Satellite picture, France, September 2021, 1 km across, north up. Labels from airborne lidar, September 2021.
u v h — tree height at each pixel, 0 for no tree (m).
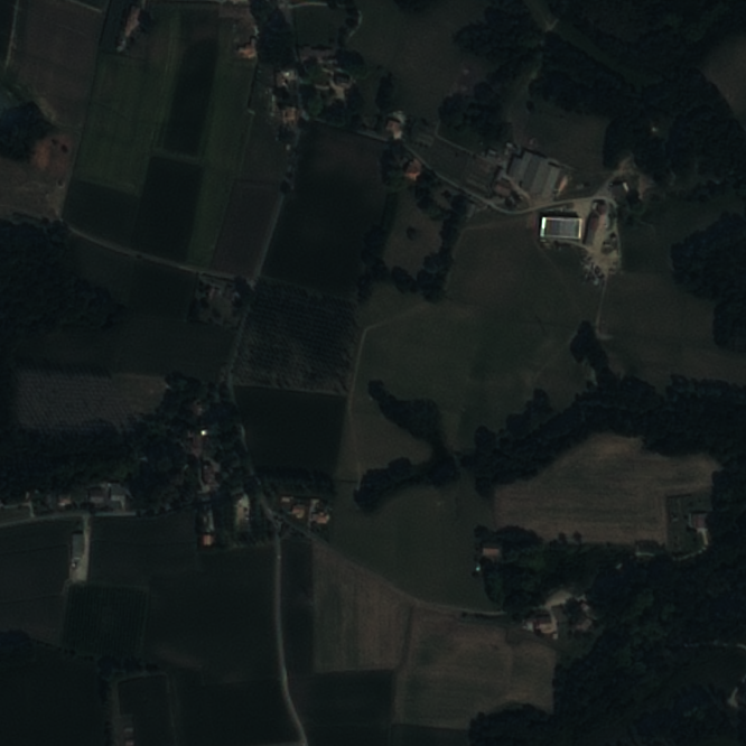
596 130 0
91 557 0
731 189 13
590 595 9
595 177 0
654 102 20
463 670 0
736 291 14
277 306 17
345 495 0
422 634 0
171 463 29
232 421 19
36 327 18
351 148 0
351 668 0
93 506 11
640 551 16
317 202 0
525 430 14
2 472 22
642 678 26
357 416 0
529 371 0
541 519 0
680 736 23
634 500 0
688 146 23
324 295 0
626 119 20
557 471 0
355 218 0
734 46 0
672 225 0
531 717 15
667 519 0
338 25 0
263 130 0
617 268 0
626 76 0
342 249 0
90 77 0
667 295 0
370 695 0
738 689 0
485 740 20
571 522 0
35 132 20
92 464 24
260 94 0
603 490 0
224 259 0
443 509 0
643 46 18
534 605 12
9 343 20
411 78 0
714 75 0
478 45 25
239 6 0
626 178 0
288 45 16
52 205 0
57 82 0
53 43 0
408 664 0
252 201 0
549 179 0
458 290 0
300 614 0
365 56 0
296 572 0
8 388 21
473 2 0
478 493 10
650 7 10
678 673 5
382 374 0
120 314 17
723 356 0
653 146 30
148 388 0
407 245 0
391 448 0
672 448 25
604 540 0
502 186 0
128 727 0
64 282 25
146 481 24
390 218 8
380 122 10
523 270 0
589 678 19
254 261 0
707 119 18
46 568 0
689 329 0
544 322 0
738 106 0
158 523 0
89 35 0
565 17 21
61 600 0
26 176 0
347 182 0
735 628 22
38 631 0
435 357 0
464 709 0
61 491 10
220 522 23
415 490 0
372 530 0
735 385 0
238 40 0
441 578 0
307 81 17
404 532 0
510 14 9
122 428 25
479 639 0
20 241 24
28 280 22
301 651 0
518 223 0
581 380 0
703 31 28
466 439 0
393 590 0
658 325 0
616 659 27
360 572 0
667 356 0
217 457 14
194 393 17
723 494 25
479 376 0
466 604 0
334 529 0
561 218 0
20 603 0
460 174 0
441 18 0
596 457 0
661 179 16
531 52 28
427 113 0
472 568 0
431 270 17
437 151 0
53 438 20
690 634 26
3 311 22
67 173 0
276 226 0
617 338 0
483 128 16
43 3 0
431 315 0
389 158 17
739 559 23
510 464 16
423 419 20
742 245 26
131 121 0
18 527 0
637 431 16
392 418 18
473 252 0
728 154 21
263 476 19
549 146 0
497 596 26
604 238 0
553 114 0
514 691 0
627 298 0
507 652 0
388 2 0
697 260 25
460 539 0
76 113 0
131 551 0
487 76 0
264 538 19
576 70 15
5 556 0
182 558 0
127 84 0
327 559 0
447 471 20
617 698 17
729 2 34
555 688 9
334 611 0
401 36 0
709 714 26
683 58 23
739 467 23
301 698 0
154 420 11
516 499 0
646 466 0
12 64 0
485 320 0
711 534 17
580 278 0
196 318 10
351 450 0
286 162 0
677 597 31
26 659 18
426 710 0
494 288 0
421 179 16
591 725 8
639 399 24
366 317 0
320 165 0
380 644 0
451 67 0
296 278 0
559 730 13
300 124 8
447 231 17
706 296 14
